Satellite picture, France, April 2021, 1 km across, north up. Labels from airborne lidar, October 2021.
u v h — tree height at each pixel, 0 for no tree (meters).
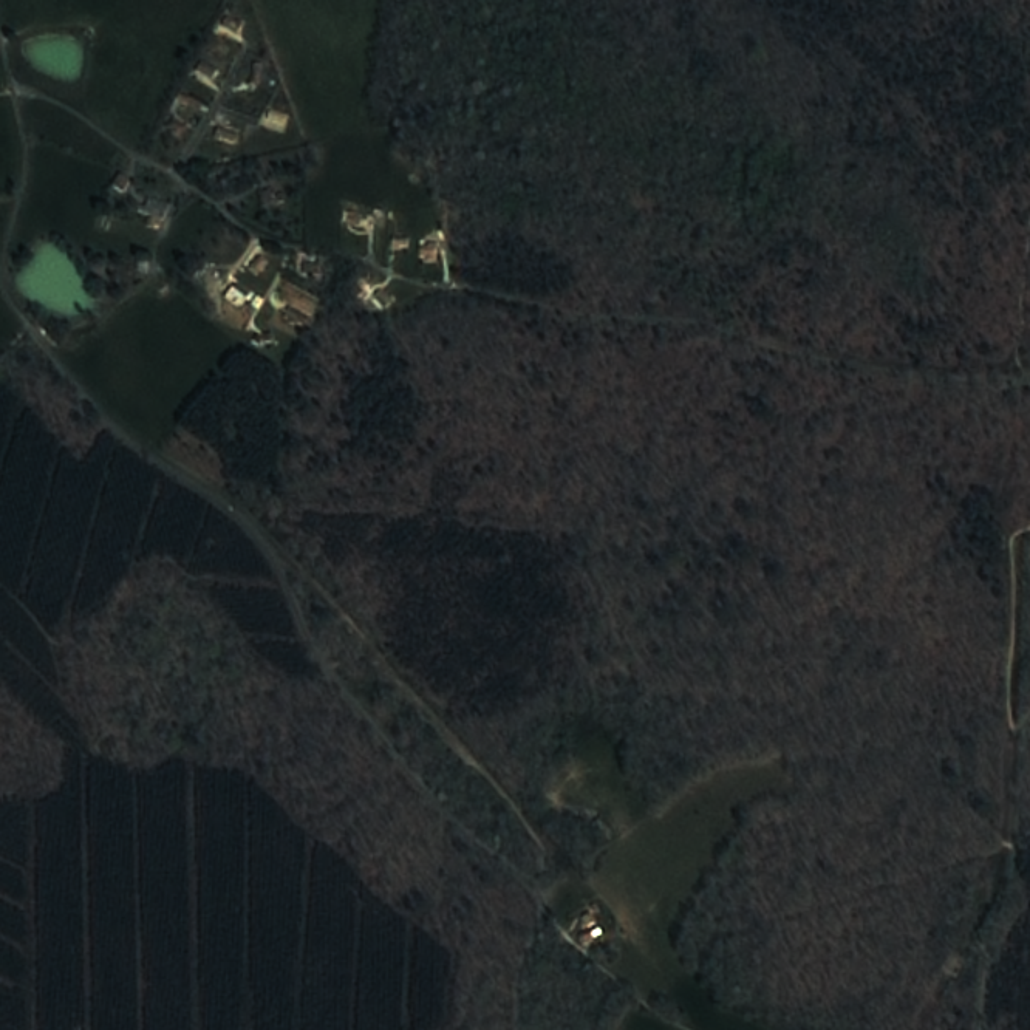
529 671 7
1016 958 7
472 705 6
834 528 14
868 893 12
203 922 10
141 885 10
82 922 10
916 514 18
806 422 7
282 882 8
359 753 18
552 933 19
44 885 10
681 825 0
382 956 10
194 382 0
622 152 18
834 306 10
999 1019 13
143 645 19
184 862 9
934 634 14
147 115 0
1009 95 12
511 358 13
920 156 11
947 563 15
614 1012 21
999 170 12
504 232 12
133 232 0
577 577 18
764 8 13
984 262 7
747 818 20
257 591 7
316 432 10
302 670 10
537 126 17
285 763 13
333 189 0
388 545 8
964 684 15
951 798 18
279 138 0
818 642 17
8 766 14
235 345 0
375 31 8
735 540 10
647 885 0
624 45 13
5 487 11
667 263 8
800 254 11
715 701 17
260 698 18
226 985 7
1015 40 12
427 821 21
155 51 0
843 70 12
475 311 10
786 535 13
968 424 14
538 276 14
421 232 0
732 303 8
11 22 0
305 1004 9
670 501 17
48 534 8
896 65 9
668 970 0
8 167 0
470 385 12
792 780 12
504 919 15
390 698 20
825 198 13
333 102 0
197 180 14
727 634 19
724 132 17
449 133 15
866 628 13
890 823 7
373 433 17
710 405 13
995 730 16
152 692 10
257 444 17
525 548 8
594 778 0
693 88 15
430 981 10
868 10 12
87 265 8
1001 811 14
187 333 0
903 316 6
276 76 0
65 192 0
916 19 6
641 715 22
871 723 17
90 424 14
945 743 15
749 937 16
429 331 9
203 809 7
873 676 18
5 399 10
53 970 9
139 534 8
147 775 10
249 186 13
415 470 11
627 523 16
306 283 15
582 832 23
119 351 0
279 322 0
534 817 24
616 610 20
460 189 14
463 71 19
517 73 15
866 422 12
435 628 8
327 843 10
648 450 12
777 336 9
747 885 19
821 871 11
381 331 15
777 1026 12
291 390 17
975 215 10
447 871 19
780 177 9
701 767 18
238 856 9
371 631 19
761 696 19
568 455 18
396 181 0
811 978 18
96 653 21
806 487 16
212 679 18
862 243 10
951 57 13
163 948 10
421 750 20
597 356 12
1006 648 17
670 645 21
